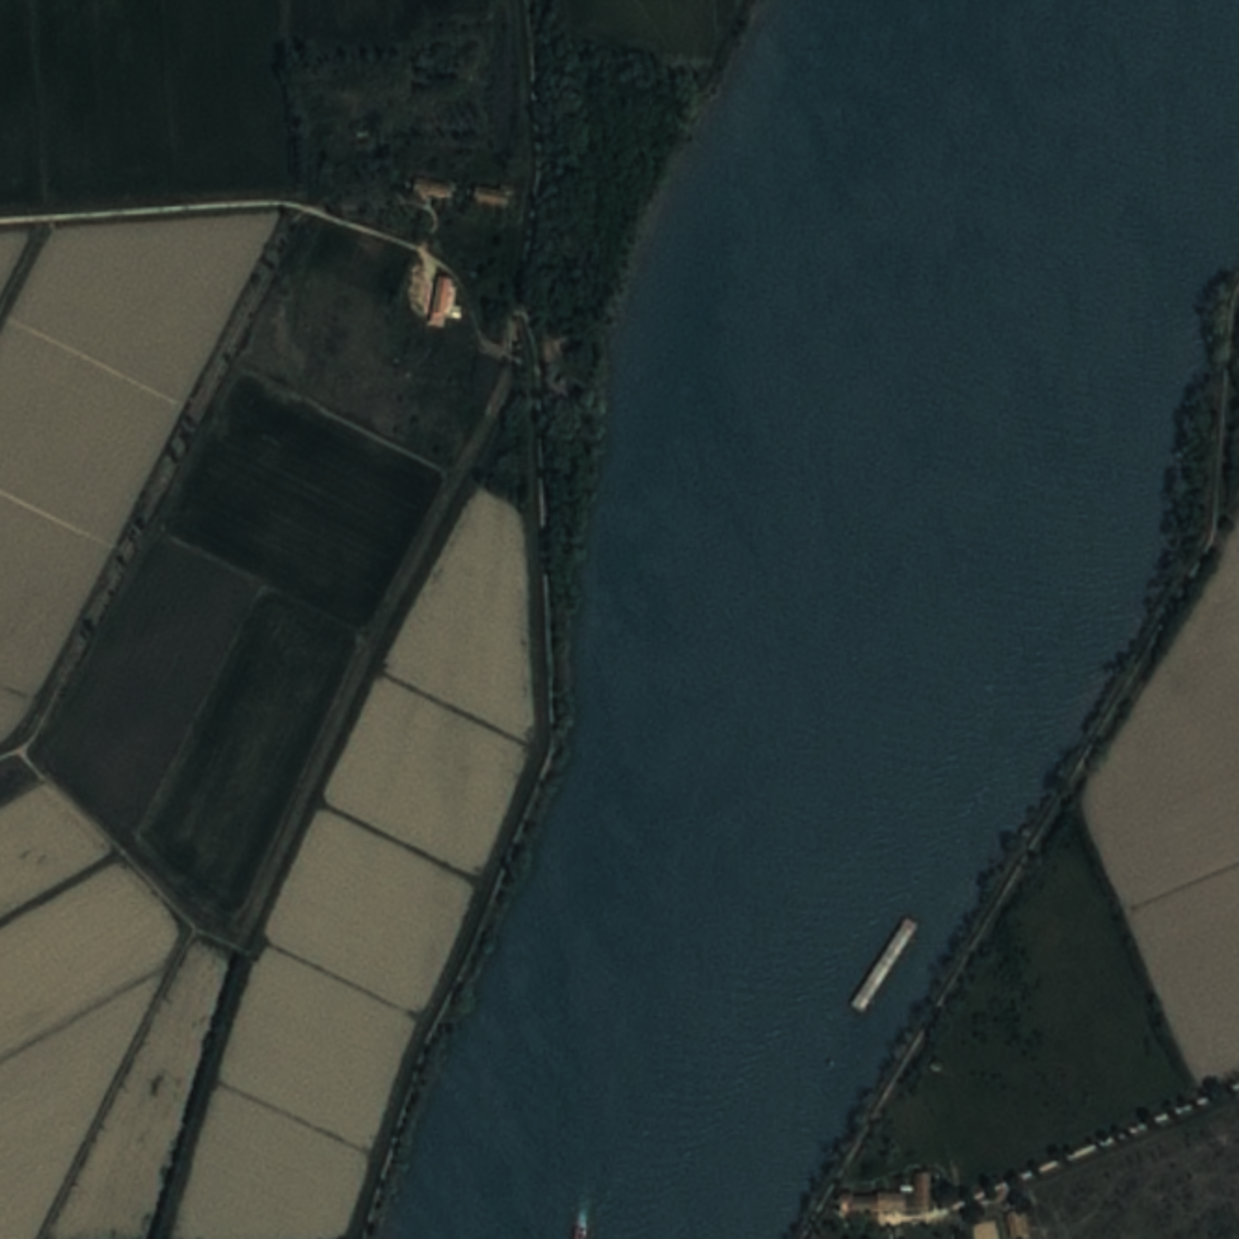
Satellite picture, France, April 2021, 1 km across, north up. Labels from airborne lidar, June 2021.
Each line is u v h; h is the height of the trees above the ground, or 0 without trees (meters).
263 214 0
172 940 0
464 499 0
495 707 0
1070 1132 0
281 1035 0
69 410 0
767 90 0
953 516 0
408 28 0
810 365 0
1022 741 0
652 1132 0
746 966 0
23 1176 0
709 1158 0
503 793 0
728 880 0
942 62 0
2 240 0
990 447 0
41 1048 0
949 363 0
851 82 0
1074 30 0
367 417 0
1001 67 0
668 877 0
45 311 0
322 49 0
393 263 0
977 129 0
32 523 0
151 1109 0
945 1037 13
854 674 0
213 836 0
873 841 0
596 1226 0
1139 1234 0
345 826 0
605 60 13
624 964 0
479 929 0
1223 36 0
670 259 0
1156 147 0
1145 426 0
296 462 0
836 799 0
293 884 0
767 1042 0
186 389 0
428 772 0
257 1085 0
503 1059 0
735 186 0
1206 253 0
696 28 0
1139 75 0
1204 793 0
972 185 0
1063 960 0
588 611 0
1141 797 0
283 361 0
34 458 0
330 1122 0
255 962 0
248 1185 0
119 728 0
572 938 0
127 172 0
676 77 16
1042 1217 0
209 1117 0
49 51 0
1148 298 0
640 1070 0
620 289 11
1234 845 0
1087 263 0
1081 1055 0
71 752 0
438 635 0
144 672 0
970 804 0
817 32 0
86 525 0
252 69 0
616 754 0
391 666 0
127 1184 0
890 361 0
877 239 0
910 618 0
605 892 0
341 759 0
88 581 0
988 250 0
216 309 0
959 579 0
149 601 0
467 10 0
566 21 7
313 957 0
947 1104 0
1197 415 14
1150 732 0
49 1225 0
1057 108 0
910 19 0
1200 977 0
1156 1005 10
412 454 0
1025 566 0
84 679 0
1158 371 0
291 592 0
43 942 0
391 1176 9
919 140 0
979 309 0
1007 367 0
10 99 0
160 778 0
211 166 0
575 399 9
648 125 13
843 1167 9
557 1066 0
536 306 16
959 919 0
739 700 0
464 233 0
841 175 0
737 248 0
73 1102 0
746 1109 0
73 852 0
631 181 10
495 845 0
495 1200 0
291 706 0
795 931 0
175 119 0
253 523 0
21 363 0
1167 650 9
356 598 0
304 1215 0
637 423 0
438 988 0
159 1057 0
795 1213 0
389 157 11
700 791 0
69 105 0
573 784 0
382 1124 0
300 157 12
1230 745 0
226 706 0
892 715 0
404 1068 0
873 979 0
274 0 0
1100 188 0
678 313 0
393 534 0
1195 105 0
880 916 0
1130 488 0
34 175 0
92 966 0
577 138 21
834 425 0
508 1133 0
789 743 0
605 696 0
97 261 0
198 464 0
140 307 0
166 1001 0
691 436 0
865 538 0
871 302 0
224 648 0
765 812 0
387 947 0
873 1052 0
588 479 14
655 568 0
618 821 0
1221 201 0
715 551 0
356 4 0
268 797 0
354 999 0
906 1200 0
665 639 0
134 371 0
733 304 0
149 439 0
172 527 0
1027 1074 0
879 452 0
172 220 0
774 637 0
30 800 0
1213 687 0
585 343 17
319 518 0
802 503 0
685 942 0
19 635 0
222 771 0
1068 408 0
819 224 0
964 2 0
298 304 0
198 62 0
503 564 0
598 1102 0
